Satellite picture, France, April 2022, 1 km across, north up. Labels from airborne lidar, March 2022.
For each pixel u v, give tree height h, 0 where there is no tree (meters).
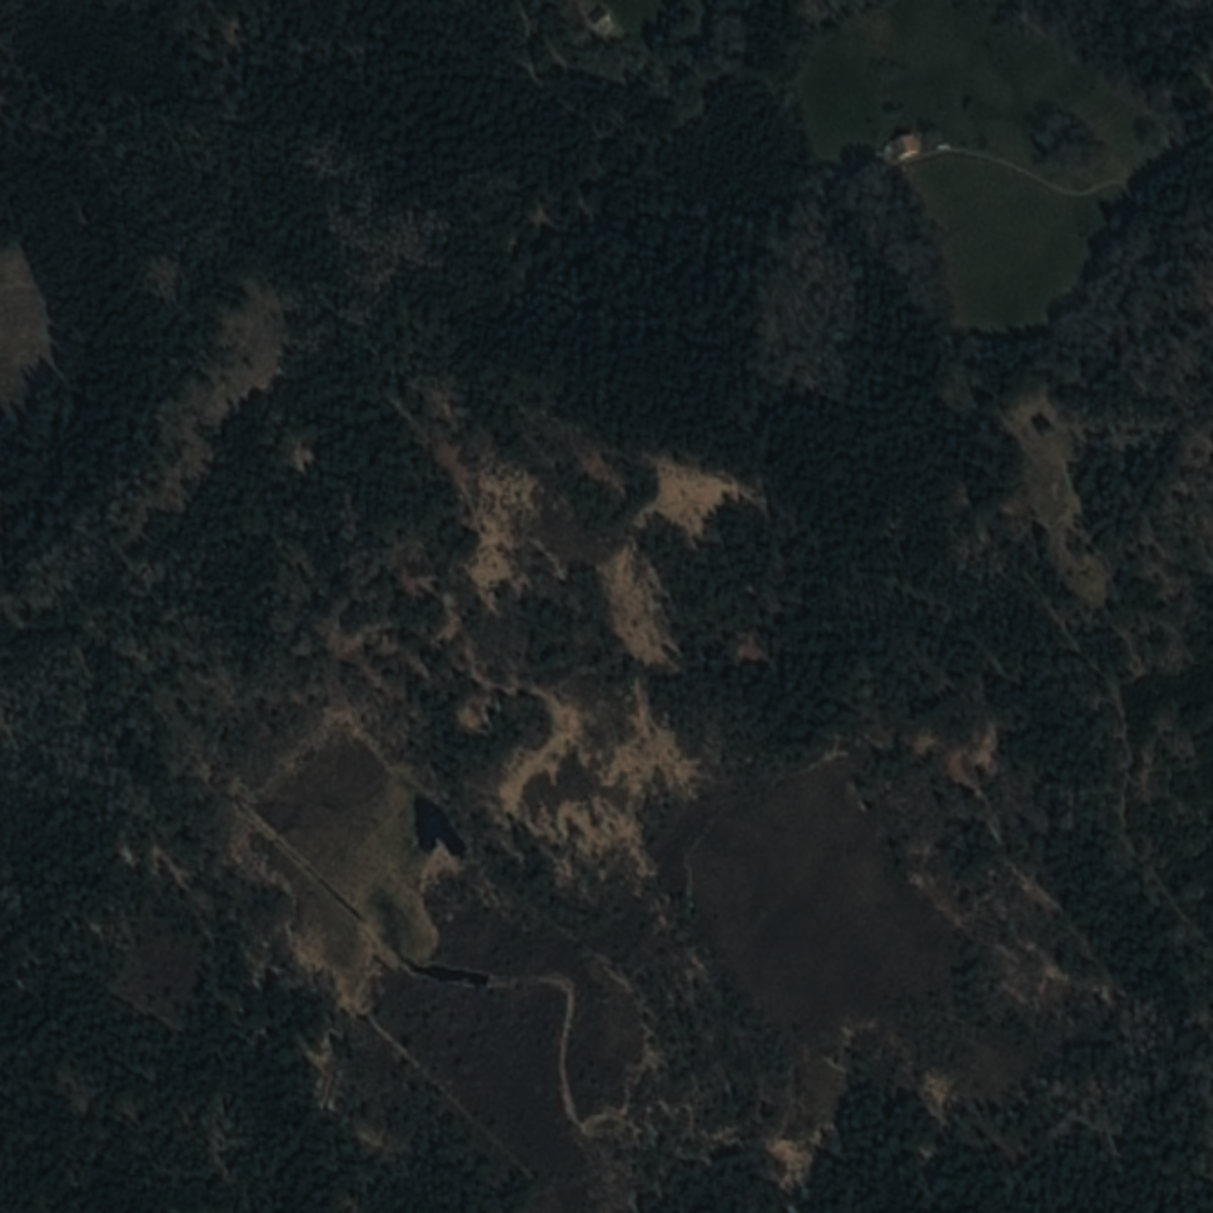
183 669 18
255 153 21
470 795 14
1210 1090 31
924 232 26
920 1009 12
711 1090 11
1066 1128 24
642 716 0
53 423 25
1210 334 29
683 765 0
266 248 21
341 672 9
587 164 25
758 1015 11
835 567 19
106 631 14
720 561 14
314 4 20
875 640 12
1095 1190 21
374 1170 15
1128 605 21
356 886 0
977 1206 13
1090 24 22
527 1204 16
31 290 0
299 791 0
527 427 11
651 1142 11
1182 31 12
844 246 26
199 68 22
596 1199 11
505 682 14
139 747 19
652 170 19
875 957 0
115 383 18
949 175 0
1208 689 11
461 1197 22
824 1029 0
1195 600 13
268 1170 16
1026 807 12
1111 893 19
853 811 0
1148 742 11
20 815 21
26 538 24
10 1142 22
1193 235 26
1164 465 16
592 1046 0
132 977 10
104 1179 14
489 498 0
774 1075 19
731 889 0
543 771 0
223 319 20
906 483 24
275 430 8
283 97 27
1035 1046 12
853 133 0
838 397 29
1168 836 14
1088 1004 10
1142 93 22
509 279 26
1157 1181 29
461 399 14
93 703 17
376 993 0
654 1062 7
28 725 24
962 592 15
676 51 29
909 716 6
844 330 28
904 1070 9
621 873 0
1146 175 0
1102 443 20
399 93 24
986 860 18
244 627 21
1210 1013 21
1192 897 23
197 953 7
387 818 0
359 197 26
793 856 0
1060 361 27
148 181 23
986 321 0
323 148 20
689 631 12
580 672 11
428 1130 14
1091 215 0
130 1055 23
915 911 0
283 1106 18
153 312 15
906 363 28
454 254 23
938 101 0
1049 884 11
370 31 18
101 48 15
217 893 15
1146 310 24
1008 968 15
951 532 18
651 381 24
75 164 20
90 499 19
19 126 26
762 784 10
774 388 23
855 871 0
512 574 0
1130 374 24
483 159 26
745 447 20
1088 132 19
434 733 9
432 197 25
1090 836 22
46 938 25
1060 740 21
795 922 0
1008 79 0
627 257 26
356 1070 12
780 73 22
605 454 12
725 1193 20
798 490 25
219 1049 20
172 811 13
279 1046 22
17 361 0
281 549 19
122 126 22
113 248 25
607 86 19
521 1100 0
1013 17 13
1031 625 17
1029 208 0
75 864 24
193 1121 6
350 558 17
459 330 18
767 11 25
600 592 12
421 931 0
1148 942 21
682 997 11
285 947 11
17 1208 22
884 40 0
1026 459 15
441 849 0
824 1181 19
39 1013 19
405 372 21
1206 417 24
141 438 20
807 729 20
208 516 20
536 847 9
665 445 14
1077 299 0
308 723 14
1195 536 36
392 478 21
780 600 12
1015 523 11
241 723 10
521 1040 6
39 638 16
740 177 16
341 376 16
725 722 14
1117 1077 12
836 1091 0
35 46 16
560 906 20
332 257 22
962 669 18
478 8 24
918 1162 25
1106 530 31
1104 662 17
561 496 8
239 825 9
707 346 13
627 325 22
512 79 25
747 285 29
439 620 14
